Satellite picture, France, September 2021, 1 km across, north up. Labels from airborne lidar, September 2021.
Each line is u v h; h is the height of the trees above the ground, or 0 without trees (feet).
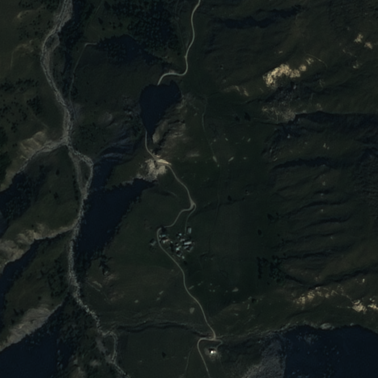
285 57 0
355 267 0
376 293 0
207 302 0
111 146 0
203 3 0
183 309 0
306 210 0
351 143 0
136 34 39
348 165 0
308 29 0
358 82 0
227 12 0
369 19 0
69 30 35
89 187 0
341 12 0
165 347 0
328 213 0
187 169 0
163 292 0
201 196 0
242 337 0
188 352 0
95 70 0
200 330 0
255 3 0
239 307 0
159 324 0
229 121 0
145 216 0
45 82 0
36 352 24
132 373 0
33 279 0
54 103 0
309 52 0
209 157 0
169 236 0
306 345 0
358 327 0
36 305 0
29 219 0
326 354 33
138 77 0
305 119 0
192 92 0
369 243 0
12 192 29
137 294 0
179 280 0
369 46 0
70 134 0
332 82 0
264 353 0
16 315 35
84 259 35
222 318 0
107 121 0
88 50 0
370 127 0
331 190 0
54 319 27
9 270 0
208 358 0
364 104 0
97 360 32
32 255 0
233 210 0
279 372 0
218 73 0
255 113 0
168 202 0
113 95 0
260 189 0
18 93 0
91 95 0
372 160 0
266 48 0
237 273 0
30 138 0
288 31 0
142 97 0
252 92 0
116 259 0
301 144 0
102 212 0
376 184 0
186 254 0
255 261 0
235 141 0
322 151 0
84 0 48
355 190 0
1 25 0
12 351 30
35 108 25
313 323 0
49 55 0
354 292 0
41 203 0
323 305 0
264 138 0
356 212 0
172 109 0
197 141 0
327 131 0
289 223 0
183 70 0
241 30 0
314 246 0
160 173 0
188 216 0
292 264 0
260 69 0
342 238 0
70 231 0
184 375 0
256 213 0
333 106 0
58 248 0
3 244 0
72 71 0
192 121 0
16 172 0
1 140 26
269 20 0
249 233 0
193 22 0
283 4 0
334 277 0
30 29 0
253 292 0
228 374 0
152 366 0
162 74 0
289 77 0
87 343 0
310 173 0
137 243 0
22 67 0
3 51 0
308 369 0
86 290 0
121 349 0
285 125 0
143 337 0
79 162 0
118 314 0
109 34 0
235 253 0
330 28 0
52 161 0
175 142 0
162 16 54
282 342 0
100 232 65
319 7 0
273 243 0
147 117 0
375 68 0
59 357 21
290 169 0
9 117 0
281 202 0
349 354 24
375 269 0
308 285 0
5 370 19
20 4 20
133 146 0
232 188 0
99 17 0
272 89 0
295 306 0
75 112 0
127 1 27
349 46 0
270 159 0
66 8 0
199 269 0
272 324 0
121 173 0
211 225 0
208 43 0
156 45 31
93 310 0
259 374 0
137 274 0
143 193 0
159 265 0
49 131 0
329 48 0
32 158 0
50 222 0
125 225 0
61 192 0
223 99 0
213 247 0
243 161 0
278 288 0
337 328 0
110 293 0
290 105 0
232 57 0
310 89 0
